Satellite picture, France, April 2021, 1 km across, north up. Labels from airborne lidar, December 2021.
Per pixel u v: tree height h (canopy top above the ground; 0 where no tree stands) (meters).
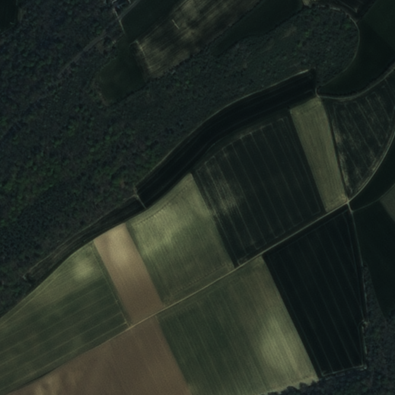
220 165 0
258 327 0
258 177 0
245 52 15
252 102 0
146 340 0
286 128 0
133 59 0
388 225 0
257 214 0
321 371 0
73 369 0
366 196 0
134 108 19
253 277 0
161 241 0
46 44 12
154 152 19
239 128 0
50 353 0
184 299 0
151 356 0
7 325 0
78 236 0
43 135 9
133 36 0
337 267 0
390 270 0
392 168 0
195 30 0
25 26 10
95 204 17
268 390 0
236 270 0
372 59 0
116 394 0
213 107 13
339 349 0
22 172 20
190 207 0
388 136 0
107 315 0
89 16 13
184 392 0
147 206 0
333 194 0
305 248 0
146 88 8
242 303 0
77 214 21
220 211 0
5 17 0
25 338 0
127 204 0
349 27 8
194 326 0
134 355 0
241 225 0
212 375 0
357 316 0
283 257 0
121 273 0
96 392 0
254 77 6
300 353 0
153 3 0
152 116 10
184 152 0
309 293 0
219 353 0
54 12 17
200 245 0
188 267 0
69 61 18
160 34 0
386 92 0
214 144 0
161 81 7
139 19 0
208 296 0
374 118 0
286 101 0
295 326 0
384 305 0
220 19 0
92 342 0
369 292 16
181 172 0
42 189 18
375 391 6
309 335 0
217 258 0
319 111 0
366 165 0
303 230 0
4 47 10
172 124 15
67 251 0
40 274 0
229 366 0
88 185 21
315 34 12
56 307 0
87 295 0
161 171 0
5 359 0
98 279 0
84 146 7
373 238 0
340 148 0
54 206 16
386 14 0
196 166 0
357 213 0
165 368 0
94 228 0
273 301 0
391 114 0
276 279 0
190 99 16
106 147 10
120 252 0
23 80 21
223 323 0
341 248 0
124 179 21
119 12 19
